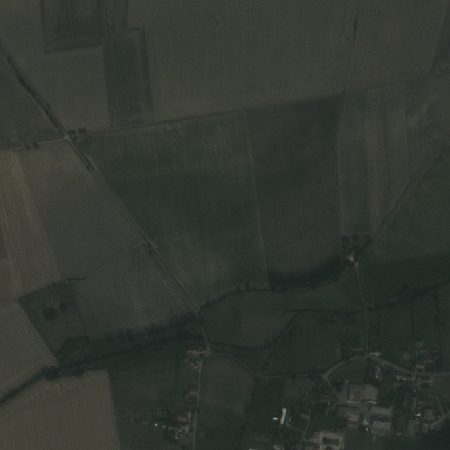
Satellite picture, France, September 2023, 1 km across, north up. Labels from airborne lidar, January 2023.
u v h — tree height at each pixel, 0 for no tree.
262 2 0
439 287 10
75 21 0
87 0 0
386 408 0
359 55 0
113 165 0
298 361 0
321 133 0
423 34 0
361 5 0
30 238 0
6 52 0
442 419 0
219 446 0
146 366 0
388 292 0
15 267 0
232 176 0
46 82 0
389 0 0
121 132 0
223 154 0
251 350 7
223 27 0
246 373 0
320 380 16
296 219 0
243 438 0
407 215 0
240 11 0
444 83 0
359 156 0
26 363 0
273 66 0
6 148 0
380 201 0
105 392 0
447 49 0
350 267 7
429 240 0
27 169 0
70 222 0
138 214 0
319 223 0
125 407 0
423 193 0
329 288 0
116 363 0
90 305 0
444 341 0
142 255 0
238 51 0
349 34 0
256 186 0
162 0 0
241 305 0
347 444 0
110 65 0
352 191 0
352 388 0
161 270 0
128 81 0
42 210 0
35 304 0
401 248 0
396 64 0
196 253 0
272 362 0
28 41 0
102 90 0
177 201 0
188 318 14
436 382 0
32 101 0
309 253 0
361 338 0
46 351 0
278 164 0
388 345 0
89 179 0
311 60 0
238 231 0
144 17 0
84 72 0
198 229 0
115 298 0
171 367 0
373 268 0
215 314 0
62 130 0
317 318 0
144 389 0
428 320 0
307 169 0
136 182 0
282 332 7
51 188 0
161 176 0
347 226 0
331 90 0
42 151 0
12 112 0
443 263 0
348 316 15
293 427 0
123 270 0
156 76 0
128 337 19
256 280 0
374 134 0
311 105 0
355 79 0
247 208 0
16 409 0
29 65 0
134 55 0
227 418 0
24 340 0
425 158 0
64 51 0
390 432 0
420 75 0
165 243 0
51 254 0
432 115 0
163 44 0
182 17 0
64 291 0
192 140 0
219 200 0
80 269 0
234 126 0
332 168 0
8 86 0
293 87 0
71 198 0
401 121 0
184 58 0
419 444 0
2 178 0
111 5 0
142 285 0
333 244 0
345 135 0
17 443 0
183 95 0
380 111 0
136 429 0
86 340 10
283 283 0
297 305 0
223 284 0
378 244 0
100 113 0
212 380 0
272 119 0
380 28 0
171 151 0
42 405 0
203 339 8
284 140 0
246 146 0
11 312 0
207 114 0
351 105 0
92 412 0
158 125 0
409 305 0
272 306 0
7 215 0
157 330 17
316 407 11
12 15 0
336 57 0
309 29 0
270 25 0
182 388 0
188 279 0
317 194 0
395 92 0
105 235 0
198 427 0
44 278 0
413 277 0
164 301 0
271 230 0
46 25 0
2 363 0
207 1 0
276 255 0
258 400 0
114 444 0
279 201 0
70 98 0
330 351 0
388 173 0
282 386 0
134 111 0
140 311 0
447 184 0
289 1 0
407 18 0
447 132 0
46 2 0
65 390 0
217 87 0
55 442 0
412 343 0
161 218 0
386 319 0
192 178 0
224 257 0
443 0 0
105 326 0
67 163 0
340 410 0
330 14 0
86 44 0
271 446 0
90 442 0
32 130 0
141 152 0
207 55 0
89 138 0
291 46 0
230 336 0
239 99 0
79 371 11
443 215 0
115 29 0
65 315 0
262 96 0
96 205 0
